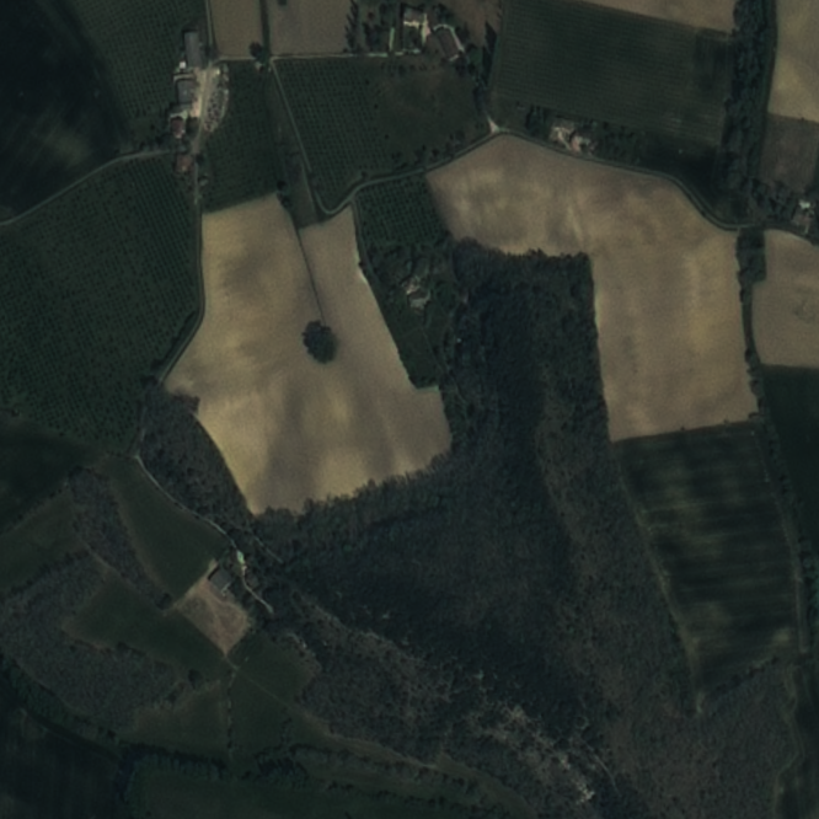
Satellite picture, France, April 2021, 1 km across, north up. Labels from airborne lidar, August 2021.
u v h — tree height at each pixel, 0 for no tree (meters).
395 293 12
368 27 0
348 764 22
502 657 8
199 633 0
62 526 0
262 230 0
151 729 0
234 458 0
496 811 14
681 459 0
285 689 0
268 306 0
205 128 0
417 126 0
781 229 0
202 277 0
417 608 11
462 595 13
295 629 14
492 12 0
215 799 0
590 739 10
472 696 7
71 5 0
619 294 0
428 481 17
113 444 0
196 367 0
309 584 9
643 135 0
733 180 21
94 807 0
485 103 19
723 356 0
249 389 0
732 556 0
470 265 21
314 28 0
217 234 0
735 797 15
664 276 0
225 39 0
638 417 0
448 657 7
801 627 0
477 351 13
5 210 0
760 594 0
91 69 0
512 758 11
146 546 0
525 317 13
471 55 13
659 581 10
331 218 0
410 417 0
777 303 0
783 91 0
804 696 0
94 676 18
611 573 10
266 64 20
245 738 0
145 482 0
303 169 0
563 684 10
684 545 0
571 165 0
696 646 0
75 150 0
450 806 9
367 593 8
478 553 16
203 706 0
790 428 0
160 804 0
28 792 0
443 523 9
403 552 10
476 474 13
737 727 14
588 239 0
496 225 0
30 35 0
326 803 0
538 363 9
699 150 0
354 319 0
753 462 0
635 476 0
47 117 0
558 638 7
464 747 17
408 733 8
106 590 0
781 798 0
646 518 0
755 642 0
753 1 18
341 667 8
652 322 0
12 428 0
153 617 0
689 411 0
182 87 0
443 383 6
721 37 0
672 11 0
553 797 9
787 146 0
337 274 0
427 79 0
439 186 0
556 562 10
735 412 0
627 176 0
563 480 8
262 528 10
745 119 8
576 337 15
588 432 15
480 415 7
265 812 0
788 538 0
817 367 0
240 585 7
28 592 9
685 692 7
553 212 0
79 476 15
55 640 16
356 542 6
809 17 0
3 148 0
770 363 0
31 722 0
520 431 6
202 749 0
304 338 0
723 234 0
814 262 0
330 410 0
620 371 0
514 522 11
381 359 0
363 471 0
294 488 0
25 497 0
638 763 7
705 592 0
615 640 7
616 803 9
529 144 0
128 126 0
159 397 17
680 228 0
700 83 0
